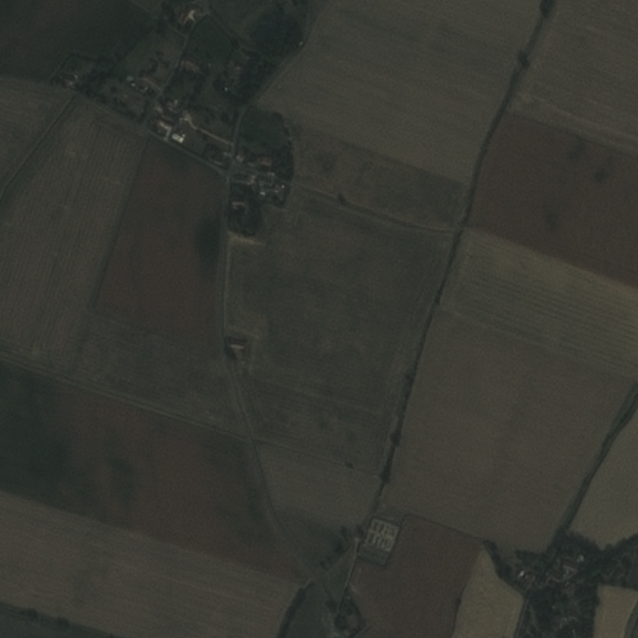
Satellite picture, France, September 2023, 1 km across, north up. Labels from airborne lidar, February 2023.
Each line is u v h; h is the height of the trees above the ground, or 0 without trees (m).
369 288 0
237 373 0
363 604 0
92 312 0
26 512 0
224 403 0
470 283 0
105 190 0
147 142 0
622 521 0
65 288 0
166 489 0
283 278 0
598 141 0
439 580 0
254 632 0
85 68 0
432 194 0
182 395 0
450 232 0
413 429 0
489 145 0
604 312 0
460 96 0
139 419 0
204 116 0
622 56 0
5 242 0
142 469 0
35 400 0
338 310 0
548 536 0
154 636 0
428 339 0
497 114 0
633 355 0
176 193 0
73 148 0
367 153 0
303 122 0
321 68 0
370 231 0
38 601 0
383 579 0
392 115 0
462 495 0
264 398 0
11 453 0
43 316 0
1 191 0
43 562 0
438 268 0
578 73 0
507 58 0
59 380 0
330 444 0
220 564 0
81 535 0
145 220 0
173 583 0
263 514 0
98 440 0
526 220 0
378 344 0
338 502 0
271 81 0
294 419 0
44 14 0
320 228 0
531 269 0
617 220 0
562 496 0
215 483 0
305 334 0
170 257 0
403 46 0
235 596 0
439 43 0
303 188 0
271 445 0
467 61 0
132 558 0
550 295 0
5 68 0
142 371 0
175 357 0
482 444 0
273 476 0
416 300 0
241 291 0
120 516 0
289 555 0
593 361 0
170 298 0
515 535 0
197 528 0
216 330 0
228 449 0
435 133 0
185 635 0
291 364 0
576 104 0
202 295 0
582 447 0
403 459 0
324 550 0
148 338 0
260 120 0
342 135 0
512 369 0
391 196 0
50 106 0
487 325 0
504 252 0
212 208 0
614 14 0
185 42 0
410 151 0
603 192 0
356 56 0
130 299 0
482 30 0
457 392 0
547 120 0
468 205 0
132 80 0
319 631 0
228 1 0
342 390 0
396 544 0
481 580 0
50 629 0
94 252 0
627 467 0
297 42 18
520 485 0
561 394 0
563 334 0
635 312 0
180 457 0
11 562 0
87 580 0
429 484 0
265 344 0
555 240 0
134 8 0
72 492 0
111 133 0
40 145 0
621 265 0
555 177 0
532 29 0
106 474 0
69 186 0
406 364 0
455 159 0
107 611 0
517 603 0
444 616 0
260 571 0
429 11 0
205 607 0
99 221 0
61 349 0
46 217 0
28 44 0
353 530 0
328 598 0
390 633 0
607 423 0
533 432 0
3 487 0
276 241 0
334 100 0
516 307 0
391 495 0
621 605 0
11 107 0
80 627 0
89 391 0
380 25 0
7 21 0
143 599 0
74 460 0
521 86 0
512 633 0
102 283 0
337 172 0
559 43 0
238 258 0
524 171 0
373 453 0
